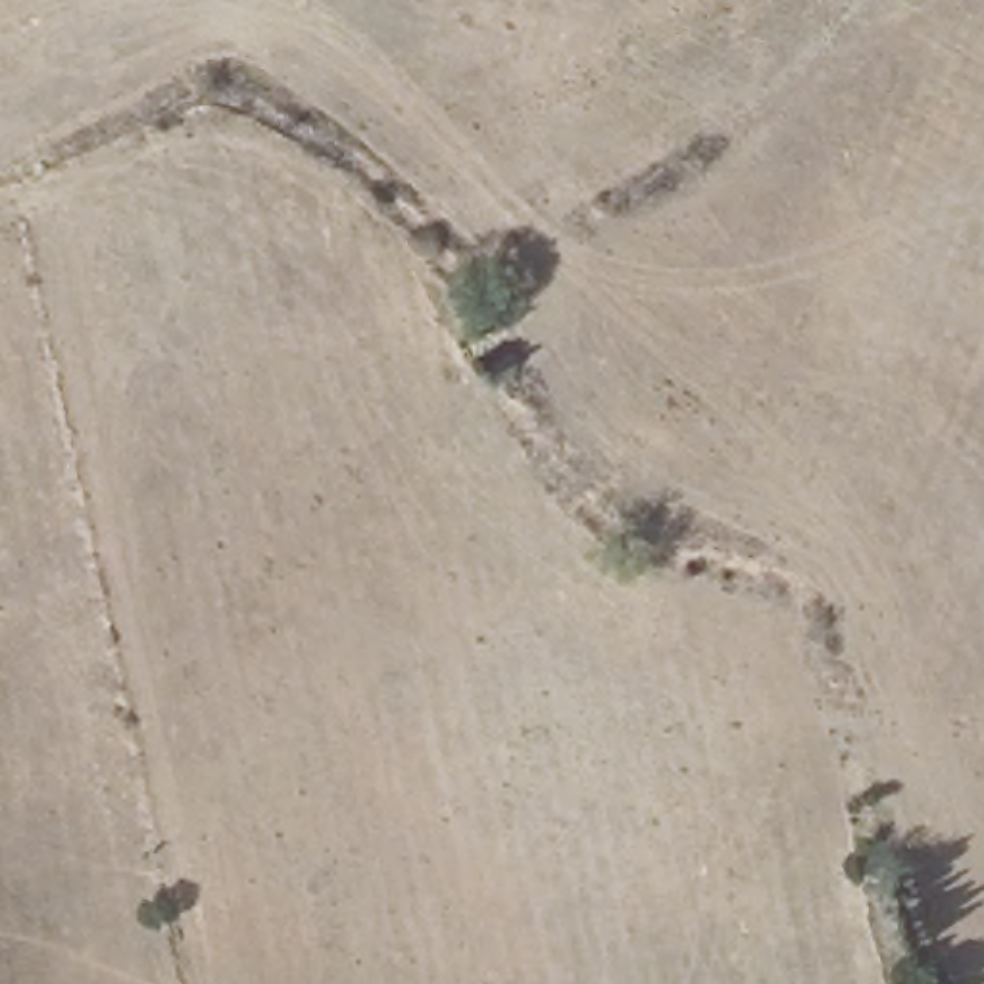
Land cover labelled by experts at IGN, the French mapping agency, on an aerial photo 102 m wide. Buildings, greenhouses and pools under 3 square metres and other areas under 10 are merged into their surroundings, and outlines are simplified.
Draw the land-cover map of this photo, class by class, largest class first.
<instances>
[{"label":"agricultural land","instance_id":"1","mask_svg":"<svg viewBox=\"0 0 984 984\"><path fill-rule=\"evenodd\" d=\"M477 258H496L500 284L507 288V300L496 315L500 331L480 338L461 331V315L450 296L454 273ZM892 823L896 834H903L915 846L961 838L969 846L949 873L961 888H972L976 911L957 919L949 930L953 942H984V0H0V984H880L907 949L896 919V892L873 873L849 880L846 873V861L857 849V842L869 838L876 826Z\"/></svg>","mask_w":984,"mask_h":984},{"label":"deciduous trees","instance_id":"2","mask_svg":"<svg viewBox=\"0 0 984 984\"><path fill-rule=\"evenodd\" d=\"M450 296L461 315V331L480 338L500 331L496 315L507 300V288L500 284L496 258H477L454 273ZM969 846L961 838L915 846L903 834H896L892 823L876 826L869 838L857 842V849L846 861V873L849 880L873 873L896 892V919L907 949L880 984H984V942H953L949 930L957 919L976 911L972 888H961L949 873Z\"/></svg>","mask_w":984,"mask_h":984}]
</instances>
